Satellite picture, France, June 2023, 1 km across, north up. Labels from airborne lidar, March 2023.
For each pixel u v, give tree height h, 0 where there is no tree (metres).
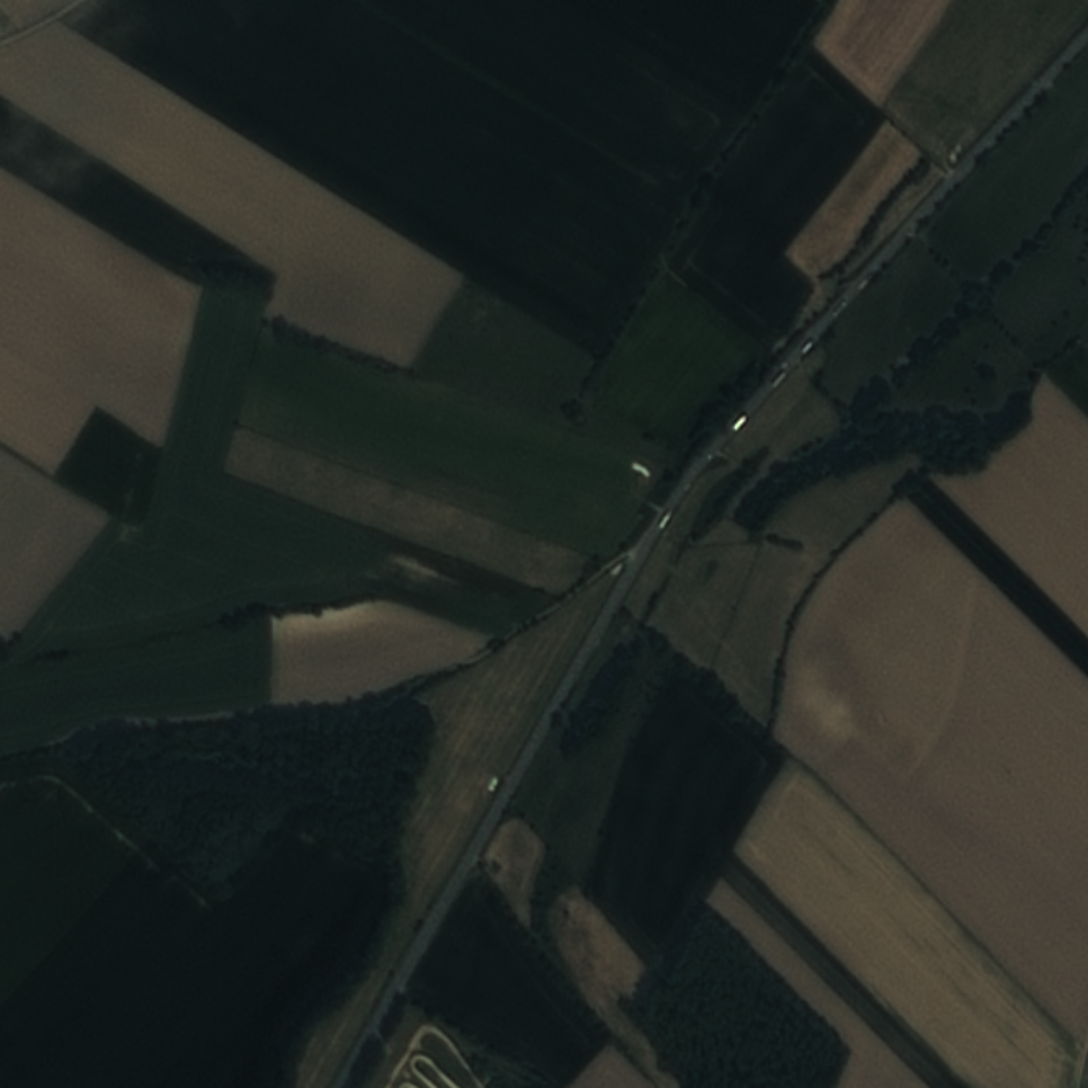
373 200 0
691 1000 24
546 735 0
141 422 0
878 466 0
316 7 0
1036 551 0
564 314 0
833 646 0
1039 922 0
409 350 0
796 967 0
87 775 14
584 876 0
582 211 0
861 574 0
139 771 23
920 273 0
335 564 0
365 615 0
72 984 0
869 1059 0
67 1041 0
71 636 0
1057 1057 0
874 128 0
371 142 0
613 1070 0
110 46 0
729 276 0
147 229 0
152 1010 0
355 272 0
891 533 0
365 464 0
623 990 0
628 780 0
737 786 0
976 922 0
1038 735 0
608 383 0
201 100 0
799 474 10
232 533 0
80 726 0
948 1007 0
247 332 0
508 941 0
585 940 0
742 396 7
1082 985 0
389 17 0
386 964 0
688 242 0
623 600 0
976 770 0
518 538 0
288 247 0
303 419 0
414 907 0
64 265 0
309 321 0
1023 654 0
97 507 0
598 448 0
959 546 0
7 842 0
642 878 0
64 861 0
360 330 0
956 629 0
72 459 0
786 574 0
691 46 0
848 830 0
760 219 0
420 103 0
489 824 0
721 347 0
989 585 0
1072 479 0
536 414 0
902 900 0
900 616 0
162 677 0
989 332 0
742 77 0
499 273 0
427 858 0
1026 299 0
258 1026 0
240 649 0
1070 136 0
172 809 16
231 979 0
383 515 0
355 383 0
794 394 0
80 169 0
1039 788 0
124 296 0
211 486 0
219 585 0
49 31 0
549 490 0
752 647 0
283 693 0
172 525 0
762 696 0
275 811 16
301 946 0
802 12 0
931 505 0
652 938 0
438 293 0
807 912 0
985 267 0
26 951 0
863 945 0
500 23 0
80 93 0
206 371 0
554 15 0
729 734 0
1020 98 0
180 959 0
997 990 0
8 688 0
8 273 0
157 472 0
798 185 0
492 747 0
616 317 0
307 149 0
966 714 0
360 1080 16
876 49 0
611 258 0
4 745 0
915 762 0
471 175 0
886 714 0
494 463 0
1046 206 0
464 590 0
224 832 14
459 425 0
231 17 0
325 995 14
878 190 0
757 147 0
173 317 0
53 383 0
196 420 0
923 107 0
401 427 0
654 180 0
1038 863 0
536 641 0
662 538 0
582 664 0
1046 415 0
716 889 0
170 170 0
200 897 0
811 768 0
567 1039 0
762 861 0
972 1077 0
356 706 15
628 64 0
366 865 0
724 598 0
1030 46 0
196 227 0
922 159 8
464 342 0
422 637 0
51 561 0
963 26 0
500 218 0
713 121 0
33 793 0
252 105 0
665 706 0
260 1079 0
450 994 0
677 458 0
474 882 0
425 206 0
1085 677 0
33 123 0
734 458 0
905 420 20
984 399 0
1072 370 0
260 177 0
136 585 0
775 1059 23
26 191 0
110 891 0
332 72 0
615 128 0
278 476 0
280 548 0
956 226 0
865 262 0
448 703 0
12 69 0
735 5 0
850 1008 0
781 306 0
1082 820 0
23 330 0
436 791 0
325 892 0
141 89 0
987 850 0
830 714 0
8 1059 0
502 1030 0
